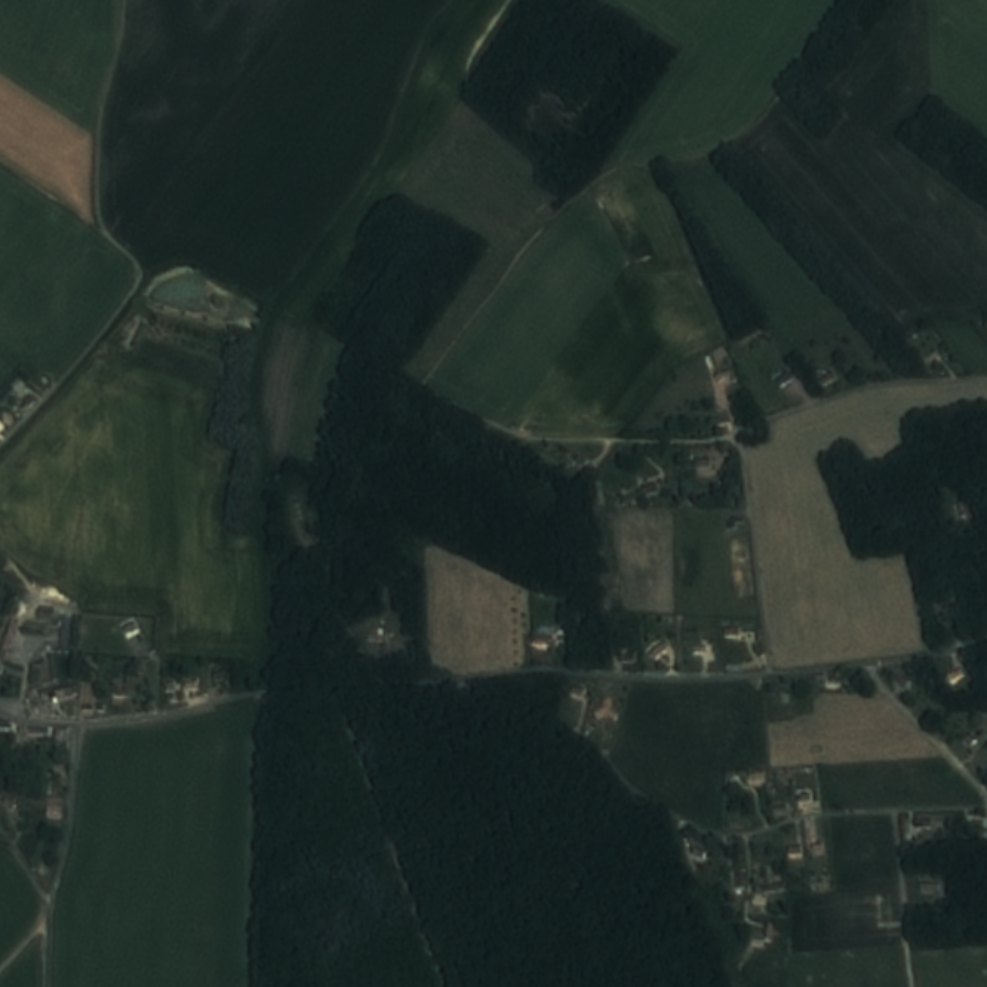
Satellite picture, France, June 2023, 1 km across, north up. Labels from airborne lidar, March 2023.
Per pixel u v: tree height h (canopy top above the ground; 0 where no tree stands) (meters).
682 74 0
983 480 21
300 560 18
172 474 0
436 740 24
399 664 22
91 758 0
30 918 0
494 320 0
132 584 0
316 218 0
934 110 17
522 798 22
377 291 14
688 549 0
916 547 19
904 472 24
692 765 0
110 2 0
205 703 0
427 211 12
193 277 0
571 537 24
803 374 16
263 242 0
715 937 20
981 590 23
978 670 17
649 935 24
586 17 17
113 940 0
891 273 0
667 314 0
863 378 13
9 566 0
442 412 21
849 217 0
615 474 0
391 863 20
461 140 0
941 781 0
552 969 22
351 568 20
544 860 22
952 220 0
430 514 17
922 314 0
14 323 0
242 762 0
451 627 0
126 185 0
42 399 0
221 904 0
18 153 0
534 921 21
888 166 0
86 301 0
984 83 0
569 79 22
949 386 0
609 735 0
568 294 0
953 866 19
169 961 0
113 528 0
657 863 23
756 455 0
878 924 0
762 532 0
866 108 0
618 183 0
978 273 0
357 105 0
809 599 0
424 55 0
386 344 17
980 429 18
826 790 0
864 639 0
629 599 0
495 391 0
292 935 22
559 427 0
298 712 23
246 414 17
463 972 18
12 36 0
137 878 0
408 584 13
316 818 17
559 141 17
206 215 0
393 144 0
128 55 0
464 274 15
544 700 14
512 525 17
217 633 0
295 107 0
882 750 0
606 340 0
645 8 0
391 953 19
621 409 0
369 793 16
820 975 0
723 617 0
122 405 0
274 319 0
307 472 10
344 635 18
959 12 0
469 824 23
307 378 0
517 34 12
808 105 18
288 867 20
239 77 0
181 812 0
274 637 12
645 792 0
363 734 18
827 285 20
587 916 21
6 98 0
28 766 5
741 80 0
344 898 19
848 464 19
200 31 0
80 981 0
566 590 23
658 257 0
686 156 0
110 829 0
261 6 0
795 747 0
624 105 6
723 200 0
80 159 0
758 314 21
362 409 21
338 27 0
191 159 0
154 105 0
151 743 0
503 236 0
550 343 0
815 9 0
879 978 0
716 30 0
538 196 0
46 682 0
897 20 0
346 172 0
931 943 17
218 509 0
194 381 0
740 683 0
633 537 0
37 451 0
